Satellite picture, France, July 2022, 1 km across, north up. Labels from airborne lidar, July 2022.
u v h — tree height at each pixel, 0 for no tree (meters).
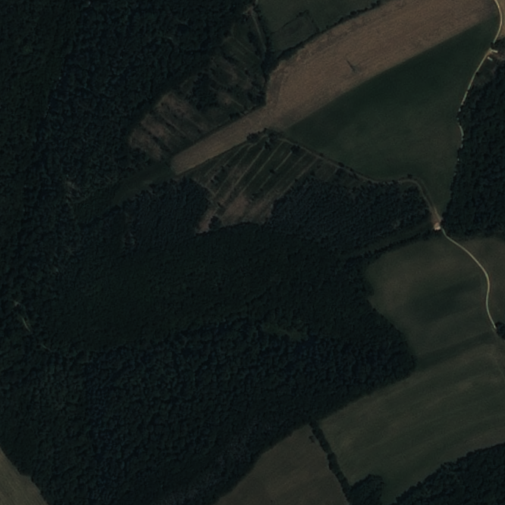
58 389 26
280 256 26
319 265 25
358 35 0
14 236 25
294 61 0
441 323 0
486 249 0
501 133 12
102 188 6
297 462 0
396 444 0
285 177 0
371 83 0
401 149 0
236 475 18
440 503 28
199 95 14
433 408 0
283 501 0
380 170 0
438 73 0
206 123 0
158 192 14
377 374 27
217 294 25
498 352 0
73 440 31
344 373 35
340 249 15
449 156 0
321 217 15
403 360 27
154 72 22
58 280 16
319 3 0
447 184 0
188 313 27
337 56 0
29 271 22
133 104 30
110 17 27
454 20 0
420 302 0
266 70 23
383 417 0
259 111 0
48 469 10
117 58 30
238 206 0
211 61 19
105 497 29
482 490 21
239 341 33
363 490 20
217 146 0
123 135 20
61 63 9
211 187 0
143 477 30
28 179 25
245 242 16
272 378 30
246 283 28
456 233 23
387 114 0
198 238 18
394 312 0
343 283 18
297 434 0
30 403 8
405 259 0
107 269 9
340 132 0
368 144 0
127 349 28
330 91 0
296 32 0
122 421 34
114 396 28
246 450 18
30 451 11
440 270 0
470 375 0
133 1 28
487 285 0
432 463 0
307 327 18
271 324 21
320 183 15
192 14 26
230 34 15
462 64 0
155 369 36
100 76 31
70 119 30
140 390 31
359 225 13
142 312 20
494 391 0
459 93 0
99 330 17
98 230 17
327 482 0
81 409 22
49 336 20
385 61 0
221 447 22
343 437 0
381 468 0
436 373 0
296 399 20
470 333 0
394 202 17
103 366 22
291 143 0
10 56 24
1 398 24
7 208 31
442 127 0
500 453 22
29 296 26
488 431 0
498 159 30
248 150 0
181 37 31
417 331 0
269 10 0
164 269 19
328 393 22
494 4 0
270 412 10
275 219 14
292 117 0
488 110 25
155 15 30
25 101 25
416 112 0
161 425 27
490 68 0
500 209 20
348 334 29
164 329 21
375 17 0
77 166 29
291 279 21
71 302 12
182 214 16
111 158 24
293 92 0
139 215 17
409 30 0
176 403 23
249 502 0
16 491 0
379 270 0
